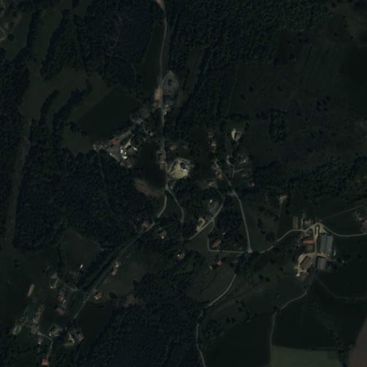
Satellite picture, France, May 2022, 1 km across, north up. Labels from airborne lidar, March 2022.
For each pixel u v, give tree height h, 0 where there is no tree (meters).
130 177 28
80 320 0
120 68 25
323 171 11
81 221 28
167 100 0
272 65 0
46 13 0
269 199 0
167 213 0
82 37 15
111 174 27
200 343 18
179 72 16
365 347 0
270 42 20
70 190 29
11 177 22
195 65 0
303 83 0
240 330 0
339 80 0
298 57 0
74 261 0
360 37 0
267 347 0
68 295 11
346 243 0
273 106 0
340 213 0
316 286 0
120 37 27
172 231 23
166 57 0
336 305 0
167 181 0
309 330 0
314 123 0
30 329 0
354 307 0
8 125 25
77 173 30
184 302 14
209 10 14
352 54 0
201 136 0
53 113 0
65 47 25
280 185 22
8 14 0
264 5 12
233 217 14
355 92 0
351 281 0
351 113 0
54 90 0
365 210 0
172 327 18
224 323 0
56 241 24
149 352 19
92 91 6
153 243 10
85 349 0
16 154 20
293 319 0
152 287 15
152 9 24
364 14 0
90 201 30
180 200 19
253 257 15
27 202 23
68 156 29
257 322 0
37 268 0
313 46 0
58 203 23
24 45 0
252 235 0
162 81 0
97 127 0
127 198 32
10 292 0
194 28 18
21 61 26
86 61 25
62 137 14
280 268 0
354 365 0
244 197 18
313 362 0
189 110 19
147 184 12
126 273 0
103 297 0
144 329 24
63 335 18
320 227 0
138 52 28
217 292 0
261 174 19
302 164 0
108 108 0
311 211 0
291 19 12
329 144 0
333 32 0
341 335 0
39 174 25
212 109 23
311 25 10
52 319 0
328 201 0
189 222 0
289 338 0
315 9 10
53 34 0
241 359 0
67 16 19
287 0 11
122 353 27
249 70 0
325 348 0
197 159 13
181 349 19
